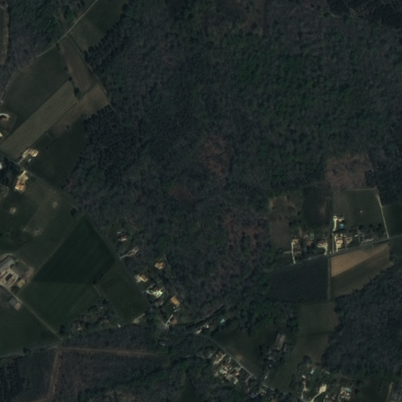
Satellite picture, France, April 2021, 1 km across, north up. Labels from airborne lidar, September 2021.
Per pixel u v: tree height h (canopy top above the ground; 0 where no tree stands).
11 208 0
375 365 19
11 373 11
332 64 13
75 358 12
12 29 16
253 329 23
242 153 14
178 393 21
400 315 11
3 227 0
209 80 23
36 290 0
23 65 14
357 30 14
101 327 9
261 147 16
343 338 15
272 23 14
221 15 19
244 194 20
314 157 14
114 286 0
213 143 14
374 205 0
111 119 23
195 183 23
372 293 15
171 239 18
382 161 16
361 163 14
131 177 24
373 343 17
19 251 0
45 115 0
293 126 29
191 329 12
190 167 17
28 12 22
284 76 22
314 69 18
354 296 10
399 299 16
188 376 19
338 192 0
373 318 16
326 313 0
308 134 18
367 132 22
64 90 0
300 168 18
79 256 0
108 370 10
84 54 0
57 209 0
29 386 16
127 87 11
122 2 0
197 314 12
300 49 16
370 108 16
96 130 23
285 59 15
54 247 0
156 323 17
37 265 0
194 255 24
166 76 17
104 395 23
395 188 19
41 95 0
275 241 0
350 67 12
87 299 0
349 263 0
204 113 25
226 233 13
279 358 14
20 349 0
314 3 6
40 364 16
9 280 0
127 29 20
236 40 22
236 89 25
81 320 11
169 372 14
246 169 21
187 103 24
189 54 22
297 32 6
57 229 0
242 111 21
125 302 0
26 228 0
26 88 0
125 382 21
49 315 0
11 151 0
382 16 14
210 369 19
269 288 20
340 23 12
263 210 24
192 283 18
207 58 23
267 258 18
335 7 18
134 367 16
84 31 0
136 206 7
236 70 21
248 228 12
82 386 9
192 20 18
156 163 19
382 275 12
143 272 16
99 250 0
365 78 15
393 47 13
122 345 21
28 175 0
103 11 0
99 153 24
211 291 8
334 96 20
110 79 18
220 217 11
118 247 11
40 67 0
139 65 7
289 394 0
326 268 13
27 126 0
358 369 13
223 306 22
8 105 0
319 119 19
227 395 24
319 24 8
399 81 13
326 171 14
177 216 26
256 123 23
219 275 20
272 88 22
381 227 10
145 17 26
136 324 0
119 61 15
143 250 19
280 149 14
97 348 11
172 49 12
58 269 0
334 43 14
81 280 0
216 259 18
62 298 0
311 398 0
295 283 17
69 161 0
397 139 21
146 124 18
